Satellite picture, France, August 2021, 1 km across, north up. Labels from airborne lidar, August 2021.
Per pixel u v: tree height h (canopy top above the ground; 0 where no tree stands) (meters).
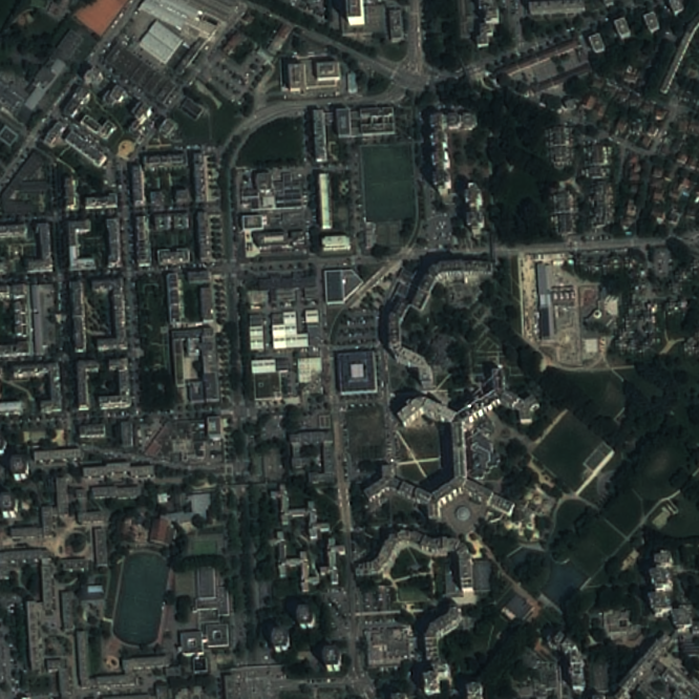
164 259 0
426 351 23
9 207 0
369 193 0
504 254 0
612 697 12
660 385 13
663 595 0
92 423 10
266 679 0
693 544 12
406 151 0
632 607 18
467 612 15
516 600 0
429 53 15
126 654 9
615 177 10
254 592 10
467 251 0
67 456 0
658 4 8
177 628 0
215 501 12
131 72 0
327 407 12
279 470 0
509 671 20
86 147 0
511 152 27
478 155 6
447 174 0
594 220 0
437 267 8
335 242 0
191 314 16
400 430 0
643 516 0
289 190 0
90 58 0
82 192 10
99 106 7
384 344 0
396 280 0
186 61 0
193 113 0
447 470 0
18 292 0
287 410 6
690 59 8
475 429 0
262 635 17
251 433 15
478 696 0
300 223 0
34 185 0
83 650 0
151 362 7
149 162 0
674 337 0
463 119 0
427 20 12
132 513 16
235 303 0
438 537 13
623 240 0
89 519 0
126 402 0
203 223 0
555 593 0
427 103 12
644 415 17
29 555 0
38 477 8
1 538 0
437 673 0
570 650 0
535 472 8
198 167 0
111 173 0
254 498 13
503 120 22
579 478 0
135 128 0
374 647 0
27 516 14
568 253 0
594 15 6
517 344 19
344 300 0
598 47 0
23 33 11
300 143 0
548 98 14
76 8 8
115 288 0
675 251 25
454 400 9
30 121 7
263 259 7
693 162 0
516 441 11
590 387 0
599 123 8
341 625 0
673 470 0
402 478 0
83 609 7
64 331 6
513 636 24
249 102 10
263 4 15
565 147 0
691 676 7
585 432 0
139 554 0
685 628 0
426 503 0
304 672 8
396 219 0
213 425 0
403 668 15
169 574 0
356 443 0
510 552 0
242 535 12
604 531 0
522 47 0
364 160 0
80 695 0
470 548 12
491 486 8
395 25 0
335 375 0
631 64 28
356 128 0
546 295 0
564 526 0
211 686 17
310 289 0
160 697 0
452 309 10
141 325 8
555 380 21
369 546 28
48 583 0
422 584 13
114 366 0
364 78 17
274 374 0
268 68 9
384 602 0
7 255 7
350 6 0
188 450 0
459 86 20
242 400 0
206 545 0
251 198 0
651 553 18
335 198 8
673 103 0
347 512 0
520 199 0
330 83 0
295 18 20
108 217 8
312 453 13
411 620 17
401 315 0
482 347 0
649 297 0
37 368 0
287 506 0
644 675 0
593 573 0
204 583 0
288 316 0
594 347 0
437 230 0
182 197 0
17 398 7
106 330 8
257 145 0
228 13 0
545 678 0
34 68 18
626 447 17
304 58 0
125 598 0
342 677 0
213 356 0
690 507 0
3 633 0
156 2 0
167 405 9
